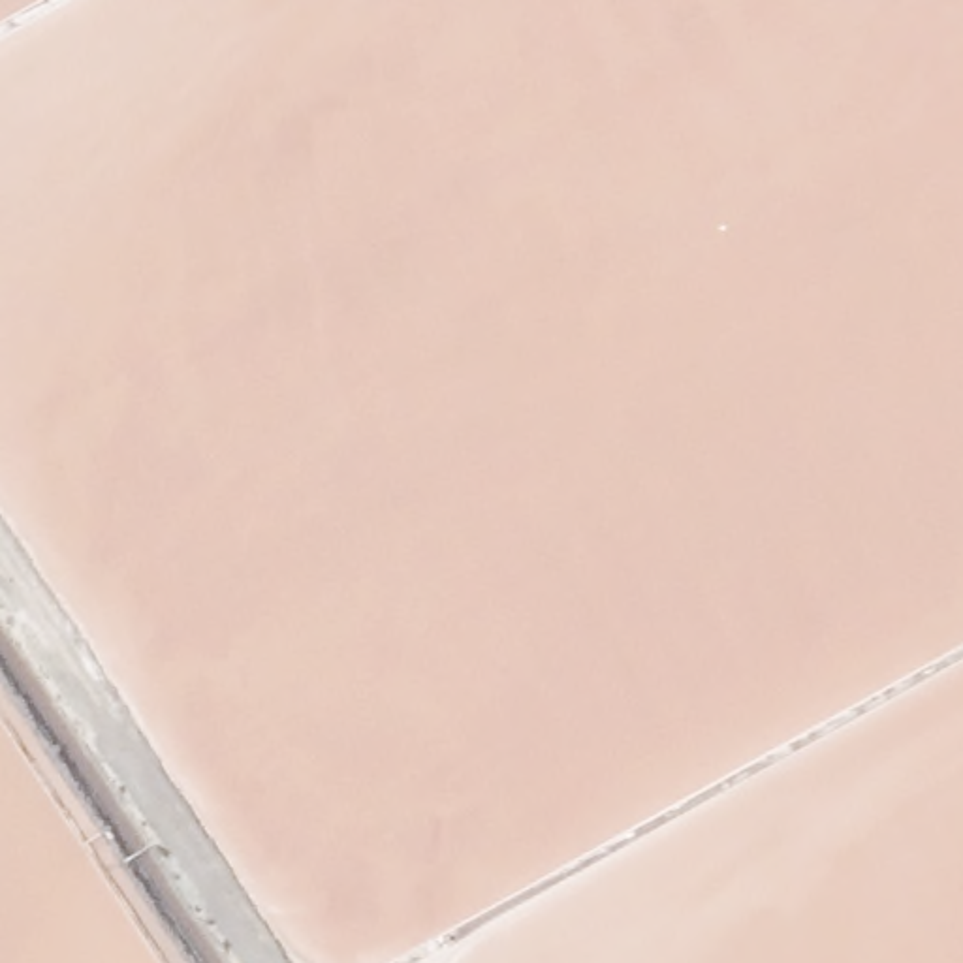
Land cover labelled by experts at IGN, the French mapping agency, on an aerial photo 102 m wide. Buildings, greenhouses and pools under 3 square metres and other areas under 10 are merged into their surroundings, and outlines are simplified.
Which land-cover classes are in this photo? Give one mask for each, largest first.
<instances>
[{"label":"water","instance_id":"1","mask_svg":"<svg viewBox=\"0 0 963 963\"><path fill-rule=\"evenodd\" d=\"M0 515L23 538L26 553L45 572L53 594L68 591L90 621V628L113 651L117 666L132 681L128 688H120V696L135 726L147 734L162 767L192 801L203 828L222 846L237 880L245 884L260 914L271 922L293 963H418V944L429 940L455 914L482 907L515 880L576 854L579 846L598 843L609 831H621L643 809L677 797L685 786L722 771L737 756L775 745L786 730H797L843 707L846 700L903 673L910 662H922L944 651L948 643L963 639V0H79L60 15L30 26L23 38L0 45ZM0 677L34 722L38 737L64 767V775L71 779V786L79 790V797L87 801L90 816L113 835L124 869L154 907L158 922L181 944L188 963H222L211 940L199 933V925L188 918L181 895L166 884V873L150 861L147 843L135 835L132 820L113 801L105 779L49 703L45 688L15 651L11 636L0 628ZM463 963H963V673L880 715L876 722L839 737L820 756L786 767L771 782L752 786L737 801L715 809L711 816L688 824L673 839L636 854L606 876L583 884L568 899L493 937ZM30 760H23L15 737H0V963H162L139 933V925L132 922L128 903L109 888L94 861H87L75 850L53 797H41L30 782Z\"/></svg>","mask_w":963,"mask_h":963},{"label":"pervious surface","instance_id":"2","mask_svg":"<svg viewBox=\"0 0 963 963\"><path fill-rule=\"evenodd\" d=\"M79 0H0V45L23 38L30 26L60 15ZM0 628L11 636L15 651L45 688L49 703L105 779L113 801L132 820L135 835L147 843L150 861L166 873V884L181 895L188 918L199 925V933L211 940L222 963H293L271 922L260 914L245 884L237 880L222 846L203 828L192 801L162 767L147 734L135 726L120 696V688H128L132 681L117 666L113 651L90 628V621L68 591L53 594L45 572L26 553L23 538L0 515ZM963 673V639L948 643L944 651L922 662H910L903 673L846 700L843 707L797 730H786L775 745L737 756L722 771L685 786L677 797L643 809L621 831H609L598 843L579 846L576 854L515 880L482 907L455 914L429 940L418 944V963H463L493 937L568 899L583 884L606 876L636 854L673 839L688 824L711 816L715 809L737 801L752 786L771 782L786 767L820 756L839 737L876 722L880 715ZM0 737H15L23 760H30V782L41 797H53L75 850L87 861H94L109 888L128 903L132 922L139 925V933L162 963H188L181 944L158 922L154 907L124 869L113 835L90 816L87 801L79 797V790L71 786V779L64 775V767L38 737L34 722L0 677Z\"/></svg>","mask_w":963,"mask_h":963}]
</instances>
